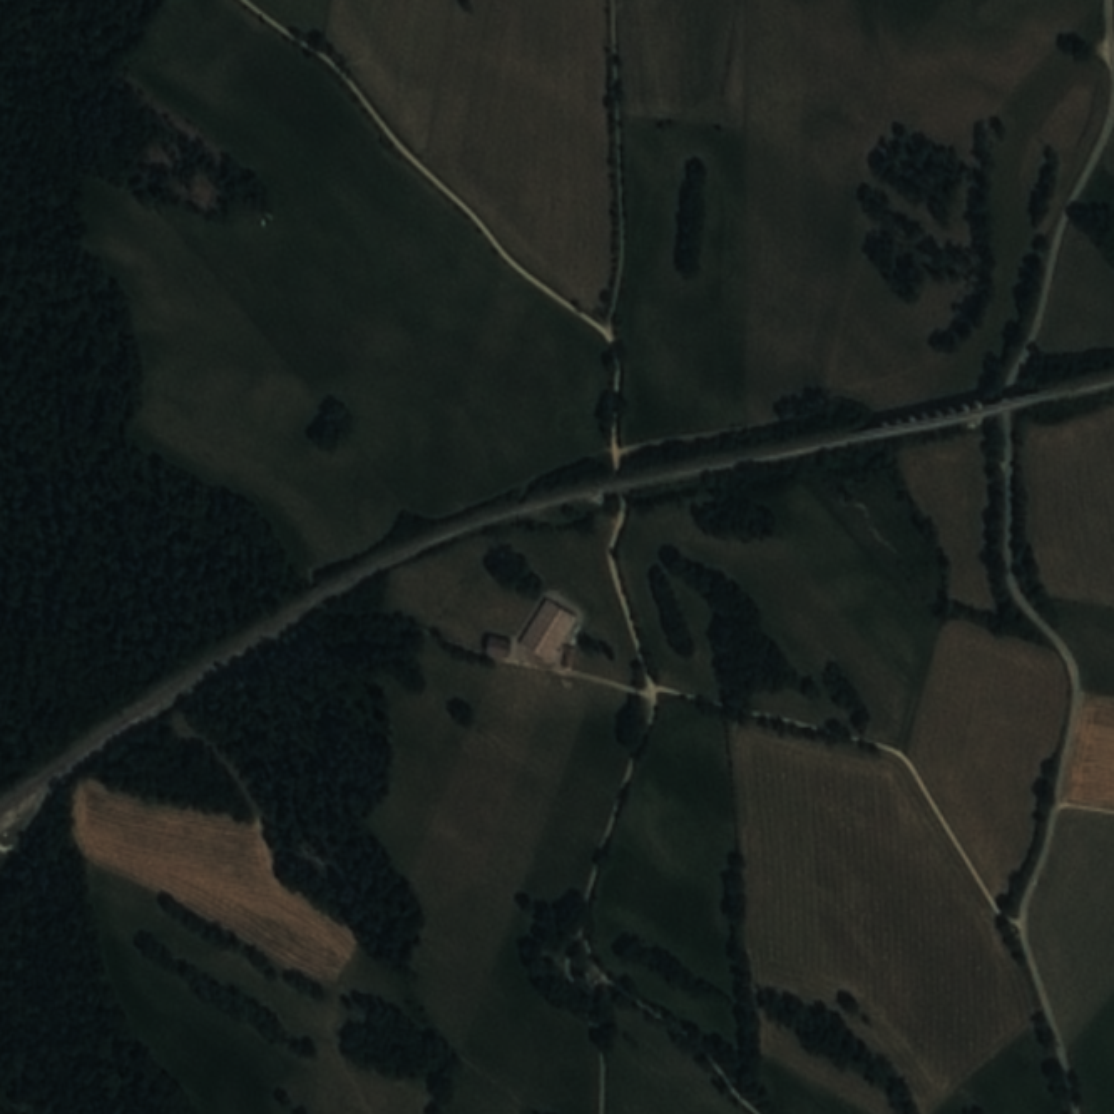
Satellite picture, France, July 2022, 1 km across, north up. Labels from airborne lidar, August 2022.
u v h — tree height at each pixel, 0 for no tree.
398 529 7
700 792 0
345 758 32
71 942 22
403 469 0
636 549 0
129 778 20
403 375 0
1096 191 0
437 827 0
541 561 0
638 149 0
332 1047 0
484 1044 0
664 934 0
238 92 0
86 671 12
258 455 0
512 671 0
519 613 0
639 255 0
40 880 29
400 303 0
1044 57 0
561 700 0
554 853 0
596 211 0
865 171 0
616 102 13
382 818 0
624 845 0
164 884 0
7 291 19
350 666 27
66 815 13
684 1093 0
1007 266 0
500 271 0
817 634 0
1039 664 0
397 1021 18
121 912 0
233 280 0
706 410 0
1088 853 0
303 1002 0
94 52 18
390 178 0
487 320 0
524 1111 0
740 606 23
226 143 0
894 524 0
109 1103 20
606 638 0
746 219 0
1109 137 0
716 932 0
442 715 0
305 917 0
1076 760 0
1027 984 0
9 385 23
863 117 0
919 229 14
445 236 0
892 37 0
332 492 0
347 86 6
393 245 0
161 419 0
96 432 25
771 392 0
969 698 0
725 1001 8
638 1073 0
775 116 0
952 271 20
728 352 0
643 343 0
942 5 0
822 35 0
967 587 0
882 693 0
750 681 24
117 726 0
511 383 0
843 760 0
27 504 20
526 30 0
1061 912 0
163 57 0
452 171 0
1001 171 0
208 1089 0
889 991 0
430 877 0
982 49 0
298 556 0
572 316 0
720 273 0
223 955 0
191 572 24
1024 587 7
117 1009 18
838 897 0
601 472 8
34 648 16
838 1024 14
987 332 0
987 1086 0
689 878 0
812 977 0
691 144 0
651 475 0
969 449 0
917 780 0
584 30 0
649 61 0
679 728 0
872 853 0
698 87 0
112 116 17
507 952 0
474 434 0
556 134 0
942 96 0
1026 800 0
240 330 0
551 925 19
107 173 14
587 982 12
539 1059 0
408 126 0
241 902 0
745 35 0
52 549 23
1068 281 0
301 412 0
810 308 0
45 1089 17
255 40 0
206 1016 0
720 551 0
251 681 20
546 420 0
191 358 0
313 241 0
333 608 14
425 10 0
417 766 0
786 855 0
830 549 0
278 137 0
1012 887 10
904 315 0
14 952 23
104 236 0
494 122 0
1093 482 0
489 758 0
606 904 0
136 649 27
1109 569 0
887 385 0
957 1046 0
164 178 18
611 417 16
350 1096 0
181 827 0
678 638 18
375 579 9
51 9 23
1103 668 0
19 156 15
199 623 22
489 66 0
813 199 0
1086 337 0
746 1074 19
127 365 20
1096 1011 0
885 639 0
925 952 0
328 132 0
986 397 13
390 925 22
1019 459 7
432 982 0
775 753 0
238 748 22
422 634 17
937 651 0
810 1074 0
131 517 23
